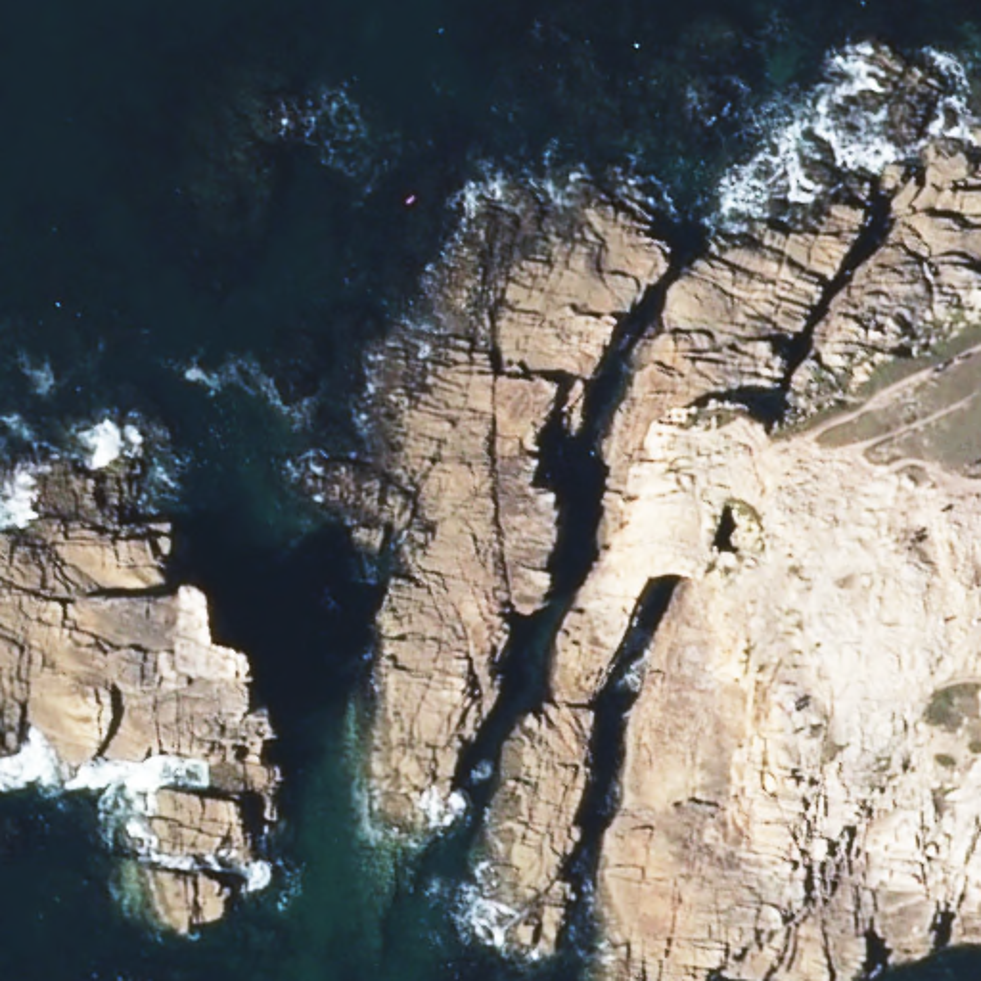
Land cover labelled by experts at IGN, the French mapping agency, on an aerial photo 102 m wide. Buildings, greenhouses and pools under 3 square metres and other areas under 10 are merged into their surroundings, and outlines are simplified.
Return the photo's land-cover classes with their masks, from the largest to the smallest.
<instances>
[{"label":"bare soil","instance_id":"1","mask_svg":"<svg viewBox=\"0 0 981 981\"><path fill-rule=\"evenodd\" d=\"M970 73L954 54H943L935 46H912L901 57H893L889 46H847L832 57L824 80L809 92L805 103H797L793 96H770L763 107L747 111V123L763 138V146L747 157V165L732 169L720 180V207L709 211L701 222L709 253L690 268V276L667 261L663 241L648 238L655 195H644L640 176H625V169H613L617 188L605 195H598V188L586 180V169H571L563 184L544 176H529V184L517 188H506V180L464 184V192L448 199L452 207H464V215L445 245V257L422 268V295L410 299L406 318L391 330V337H383L364 356V399L353 414V452L341 460V468H322V448H307L284 464V475L307 483L314 502H333L345 513V529L353 533V540L368 544V552L360 556L364 582L383 594L372 782L353 793L360 809V835L368 843H399L422 851L437 828H448L464 812V797L452 789V770L471 774L479 763L502 759V786L487 809L491 847L483 851L471 881L464 885L468 908L456 924H471L479 943H491L498 950H521L525 958L540 962L556 950L563 901H590L602 916V981H855L866 958V931H878L885 939L889 962L897 966L927 958L931 947L947 950L950 943H981V678L950 682L943 690L927 682V651L943 636V625H954V613L966 609V586L954 579L947 540L954 529L943 513V494L924 487V464L939 460L943 468L966 479H981V115H970ZM920 368H931L935 376L931 383L916 387L912 402H893L885 410L866 406L870 395ZM92 464H23L8 483H0V789L38 782L50 789H96L103 843L111 851V862L123 870V885L111 889V897L134 920L157 912V920L172 931H188V924L218 920L222 904L241 897L245 889L268 885V862L253 858L234 805L241 801V789H257L264 820H276L280 770L264 766L261 759L264 743L272 740V724L264 713L249 709V659L211 640L207 598L195 586H180L176 579L161 575V563L172 552V525L157 513V502H176V475L192 464V456L172 452L169 429L153 422L134 429L100 422L88 433Z\"/></svg>","mask_w":981,"mask_h":981},{"label":"water","instance_id":"2","mask_svg":"<svg viewBox=\"0 0 981 981\"><path fill-rule=\"evenodd\" d=\"M889 46L893 57H901L912 46H935L943 54H954L970 73V115H981V0H0V483H8L23 464H92L88 433L100 422L134 429L153 422L169 429L172 452L192 456V464L176 475V502H157V513L172 525V552L161 563V575L176 579L180 586H195L207 598L211 640L249 659V709L264 713L272 724V740L264 743L261 759L264 766L280 770L276 820H264L257 789H241V801L234 805L253 858L268 862V885L245 889L241 897L222 904L218 920L188 924V931H172L157 920V912L134 920L111 897V889L123 885V870L111 862V851L103 843L96 789H50L38 782L0 789V981H602V916L590 901H563L556 950L540 962L525 958L521 950H498L491 943H479L471 924H456L468 908L464 885L471 881L483 851L491 847L487 809L502 786V759L479 763L471 774L452 770V789L464 797V812L448 828H437L422 851L399 843H368L360 835V809L353 793L372 782L383 594L364 582L360 556L368 552V544L353 540V533L345 529V513L333 502H314L307 483L284 475V464L307 448H322V468H341V460L353 452V414L364 399V356L383 337H391V330L406 318L410 299L422 295V268L445 257V245L464 215V207H452L448 199L464 192V184L506 180V188H517L529 184V176H544L563 184L571 169H586V180L598 188V195H605L617 188L613 169H625V176H640L644 195H655L648 238L663 241L667 261L690 276V268L709 253L701 222L709 211L720 207V180L732 169L747 165V157L763 146V138L747 123V111L763 107L770 96H793L797 103H805L809 92L824 80L832 57L847 46ZM855 981H981V943H950L947 950L931 947L927 958L897 966L889 962L885 939L878 931H866V958Z\"/></svg>","mask_w":981,"mask_h":981},{"label":"pervious surface","instance_id":"3","mask_svg":"<svg viewBox=\"0 0 981 981\"><path fill-rule=\"evenodd\" d=\"M935 376L931 368H920L870 395L866 406L885 410L893 402H912L916 387L931 383ZM924 487L943 494V513L954 529L947 540L954 579L966 586V609L954 613V625H943V636L927 651V682L943 690L950 682L981 678V479H966L943 468L939 460L924 464Z\"/></svg>","mask_w":981,"mask_h":981}]
</instances>
